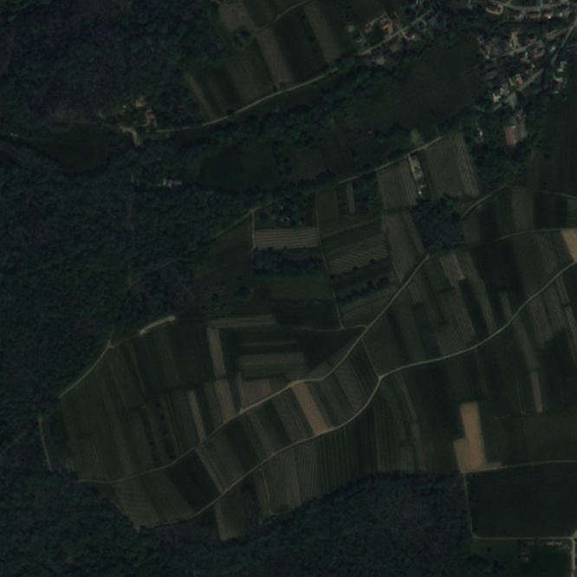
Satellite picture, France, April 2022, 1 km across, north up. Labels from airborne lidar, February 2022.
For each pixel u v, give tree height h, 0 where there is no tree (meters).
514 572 0
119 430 0
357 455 0
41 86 20
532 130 18
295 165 0
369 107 0
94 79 26
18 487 20
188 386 0
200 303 0
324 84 0
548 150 0
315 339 0
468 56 0
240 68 0
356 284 0
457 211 0
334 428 0
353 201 0
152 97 25
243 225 0
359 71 14
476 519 0
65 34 20
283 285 0
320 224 0
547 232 0
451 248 16
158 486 0
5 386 26
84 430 0
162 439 0
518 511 0
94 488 0
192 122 22
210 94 0
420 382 0
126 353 0
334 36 0
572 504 0
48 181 27
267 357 0
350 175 0
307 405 0
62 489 27
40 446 8
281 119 13
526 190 0
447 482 20
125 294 24
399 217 0
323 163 0
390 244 0
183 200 25
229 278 0
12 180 17
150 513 0
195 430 0
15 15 24
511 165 22
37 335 22
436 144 0
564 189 0
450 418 0
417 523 20
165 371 0
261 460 0
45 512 23
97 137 0
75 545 26
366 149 0
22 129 18
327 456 0
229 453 0
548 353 0
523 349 0
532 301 0
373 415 0
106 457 0
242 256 0
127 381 0
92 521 27
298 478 0
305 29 0
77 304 22
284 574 22
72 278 23
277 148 13
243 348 0
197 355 0
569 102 0
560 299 0
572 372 0
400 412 0
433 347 0
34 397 18
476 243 0
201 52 23
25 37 19
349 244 0
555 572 0
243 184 0
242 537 0
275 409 0
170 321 0
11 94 27
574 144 0
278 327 0
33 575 24
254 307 0
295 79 0
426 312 0
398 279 0
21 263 20
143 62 24
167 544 20
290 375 0
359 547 21
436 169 0
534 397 0
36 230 25
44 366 24
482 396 0
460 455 0
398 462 0
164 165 14
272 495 0
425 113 0
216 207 24
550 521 0
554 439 0
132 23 21
